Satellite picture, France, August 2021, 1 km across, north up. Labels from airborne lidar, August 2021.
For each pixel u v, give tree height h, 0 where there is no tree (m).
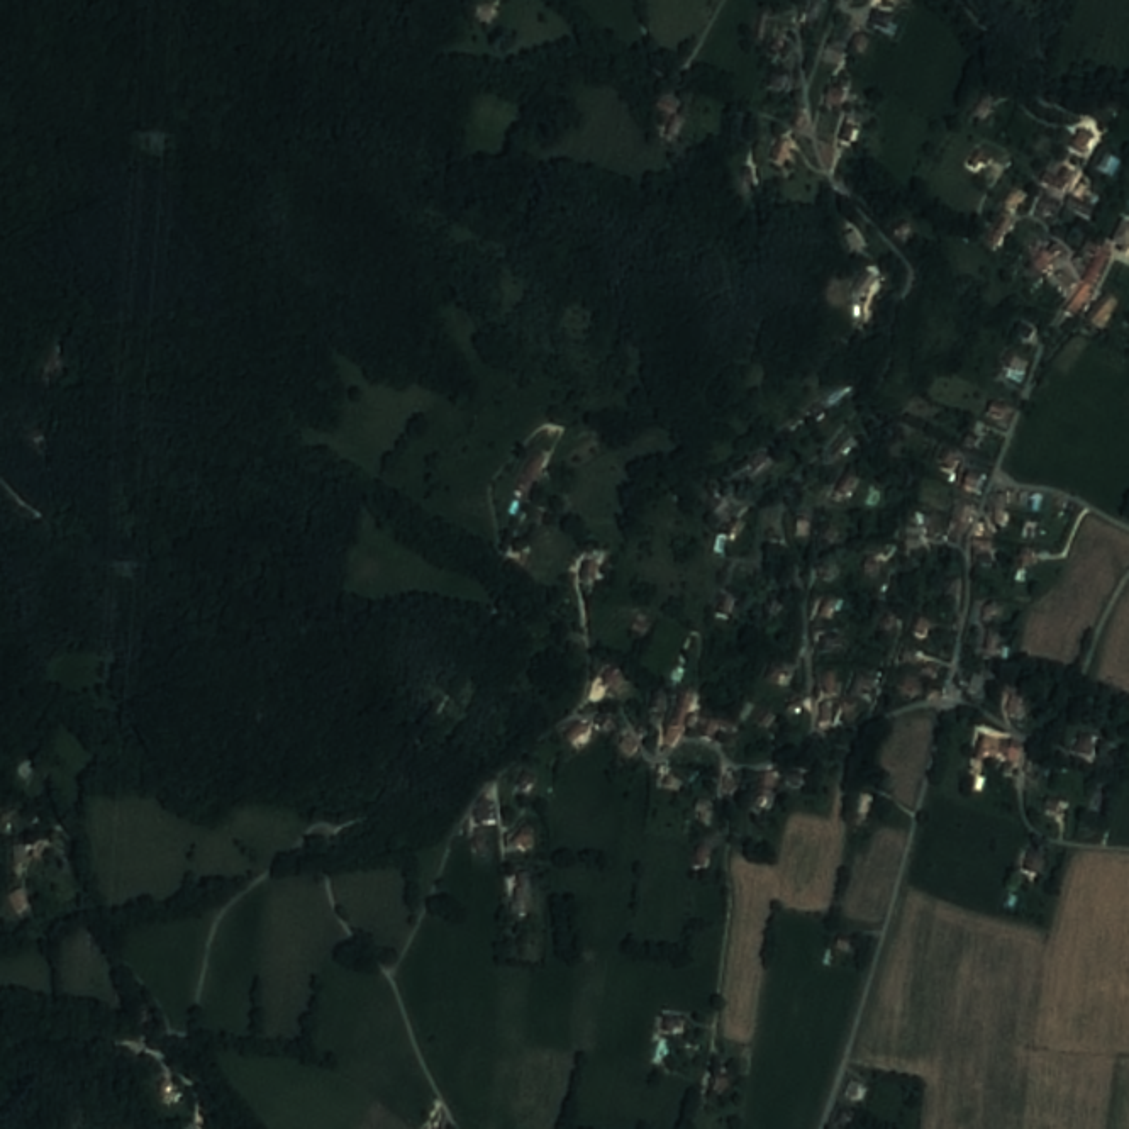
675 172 10
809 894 0
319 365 21
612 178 16
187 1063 19
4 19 19
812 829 0
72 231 18
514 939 9
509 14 0
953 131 14
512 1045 0
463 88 18
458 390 20
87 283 15
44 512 10
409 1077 0
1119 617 0
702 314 12
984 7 15
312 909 0
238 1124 13
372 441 0
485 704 11
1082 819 14
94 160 16
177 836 0
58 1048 22
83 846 21
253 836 0
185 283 17
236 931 0
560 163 19
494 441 7
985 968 0
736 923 0
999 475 0
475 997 0
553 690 10
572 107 21
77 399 20
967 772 7
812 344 19
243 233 12
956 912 0
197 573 27
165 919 13
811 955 0
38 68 22
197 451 16
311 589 26
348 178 14
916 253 13
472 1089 0
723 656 9
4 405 11
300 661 15
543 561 0
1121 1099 0
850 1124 11
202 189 7
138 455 18
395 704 15
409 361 14
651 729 12
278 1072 0
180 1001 0
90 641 13
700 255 7
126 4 30
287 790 15
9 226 9
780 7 8
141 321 17
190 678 12
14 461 13
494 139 0
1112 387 0
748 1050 0
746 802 21
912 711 0
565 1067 0
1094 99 25
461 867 0
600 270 20
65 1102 7
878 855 0
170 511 16
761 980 0
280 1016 0
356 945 17
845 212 15
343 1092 0
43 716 12
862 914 0
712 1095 13
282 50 19
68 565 15
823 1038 0
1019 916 6
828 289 16
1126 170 7
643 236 16
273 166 19
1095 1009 0
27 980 0
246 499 13
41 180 13
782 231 14
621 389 12
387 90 22
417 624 16
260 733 11
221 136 25
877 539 9
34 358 9
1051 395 0
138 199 21
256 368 19
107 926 17
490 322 6
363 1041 0
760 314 11
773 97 7
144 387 10
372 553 0
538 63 22
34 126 16
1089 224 13
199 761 14
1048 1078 0
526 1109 0
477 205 25
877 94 14
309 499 16
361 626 21
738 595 6
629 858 0
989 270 9
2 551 18
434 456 10
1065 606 0
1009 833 0
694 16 0
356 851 18
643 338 9
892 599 8
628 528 18
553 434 0
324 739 14
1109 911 0
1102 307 0
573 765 0
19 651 21
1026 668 20
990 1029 0
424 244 16
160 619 14
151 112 19
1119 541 0
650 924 0
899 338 14
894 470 9
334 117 16
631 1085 0
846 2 0
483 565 19
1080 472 0
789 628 7
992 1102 0
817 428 14
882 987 0
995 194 8
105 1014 15
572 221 15
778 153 0
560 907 16
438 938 0
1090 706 20
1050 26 15
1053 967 0
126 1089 19
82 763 0
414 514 15
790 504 11
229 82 23
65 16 27
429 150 16
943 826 0
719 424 14
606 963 0
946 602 9
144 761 23
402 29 13
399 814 12
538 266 7
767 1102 0
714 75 20
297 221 6
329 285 10
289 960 0
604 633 0
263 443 15
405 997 0
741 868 0
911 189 8
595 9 0
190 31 29
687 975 0
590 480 0
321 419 20
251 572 22
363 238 12
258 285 16
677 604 13
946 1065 0
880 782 17
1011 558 8
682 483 14
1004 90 13
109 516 17
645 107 14
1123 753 11
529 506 11
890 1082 9
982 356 7
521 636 18
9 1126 11
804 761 20
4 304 15
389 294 15
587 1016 0
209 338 18
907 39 0
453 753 13
